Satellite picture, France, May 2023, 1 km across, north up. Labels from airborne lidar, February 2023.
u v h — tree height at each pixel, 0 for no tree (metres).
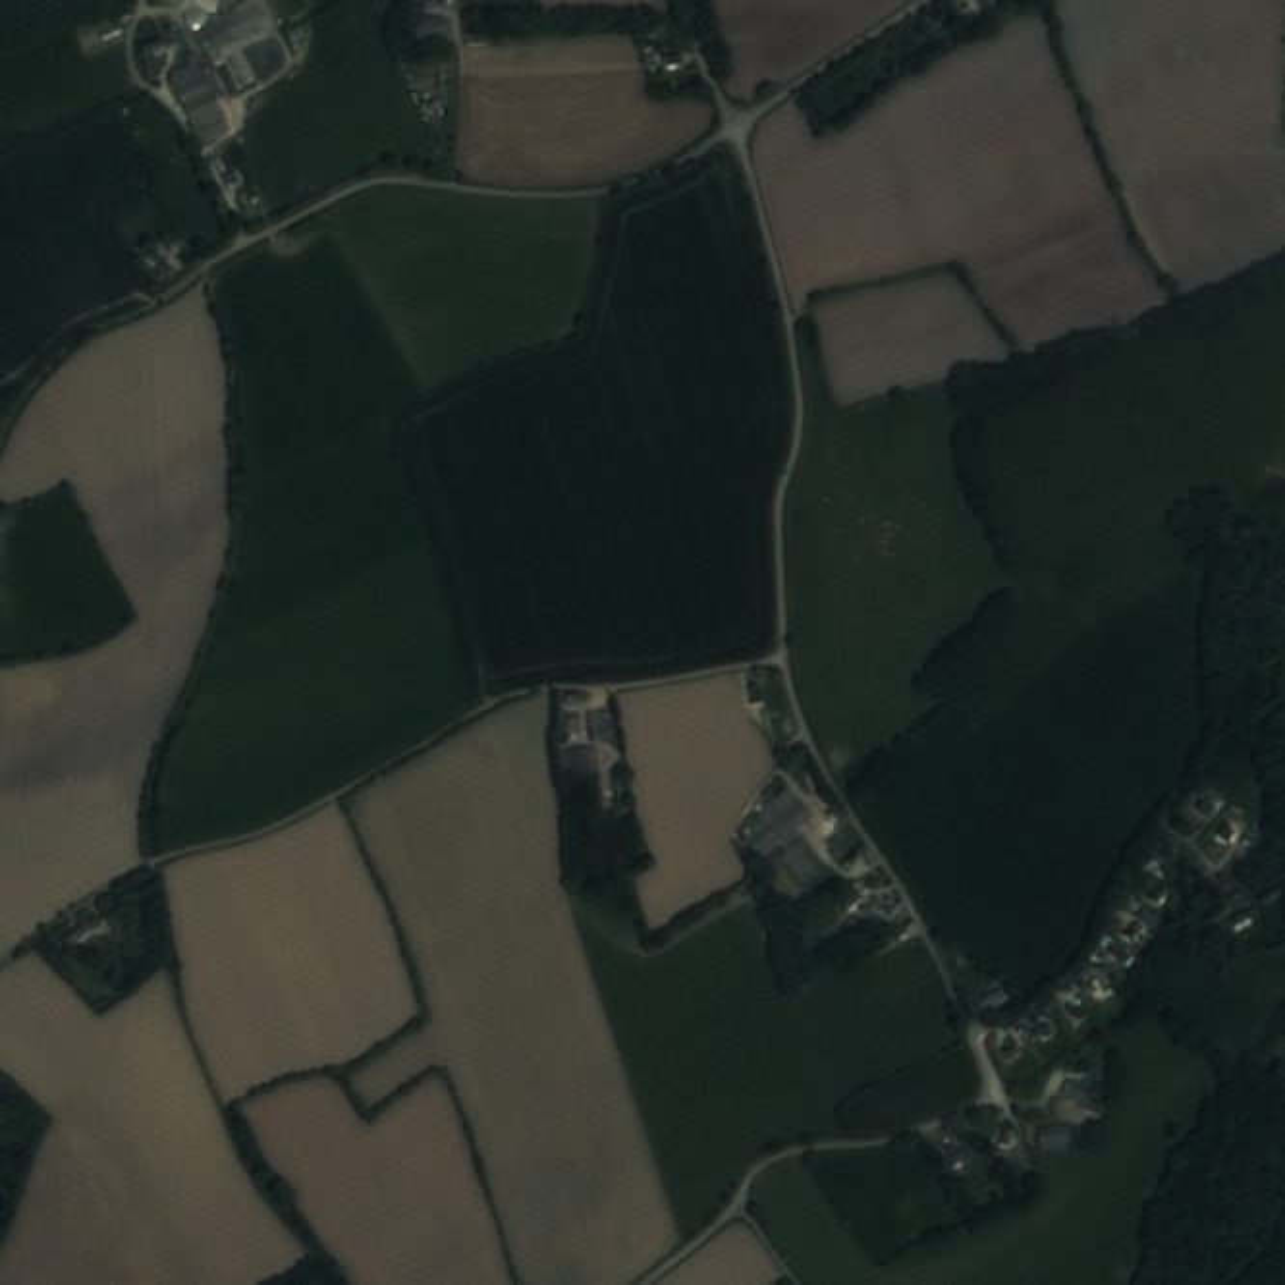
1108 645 0
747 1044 0
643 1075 0
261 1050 0
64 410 0
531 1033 0
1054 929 0
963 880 0
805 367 0
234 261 0
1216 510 22
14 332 0
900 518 0
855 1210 0
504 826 0
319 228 0
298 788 0
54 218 0
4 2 18
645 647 0
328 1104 0
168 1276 0
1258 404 0
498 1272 0
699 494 0
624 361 0
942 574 0
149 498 0
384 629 0
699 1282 0
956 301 0
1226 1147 16
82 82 0
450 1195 0
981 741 0
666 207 0
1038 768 0
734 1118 0
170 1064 0
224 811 0
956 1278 0
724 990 0
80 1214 0
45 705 0
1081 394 0
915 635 0
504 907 0
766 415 0
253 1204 0
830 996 0
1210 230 0
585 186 0
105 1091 0
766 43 0
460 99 0
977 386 20
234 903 0
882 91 7
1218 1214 14
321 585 0
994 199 0
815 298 9
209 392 0
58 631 0
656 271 0
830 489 0
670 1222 0
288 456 0
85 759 0
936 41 8
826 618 0
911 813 0
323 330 0
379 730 0
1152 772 0
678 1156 0
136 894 6
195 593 0
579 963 0
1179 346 0
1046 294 0
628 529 0
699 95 10
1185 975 0
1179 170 0
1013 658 0
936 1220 0
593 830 0
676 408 0
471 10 10
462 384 0
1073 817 0
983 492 11
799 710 0
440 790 0
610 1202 0
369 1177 0
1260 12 0
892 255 0
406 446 0
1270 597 24
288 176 0
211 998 0
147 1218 0
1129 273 0
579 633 0
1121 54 0
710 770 0
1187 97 0
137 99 6
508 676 0
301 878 0
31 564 0
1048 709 0
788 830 0
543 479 0
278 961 0
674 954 0
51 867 0
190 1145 0
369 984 0
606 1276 0
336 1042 0
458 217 0
